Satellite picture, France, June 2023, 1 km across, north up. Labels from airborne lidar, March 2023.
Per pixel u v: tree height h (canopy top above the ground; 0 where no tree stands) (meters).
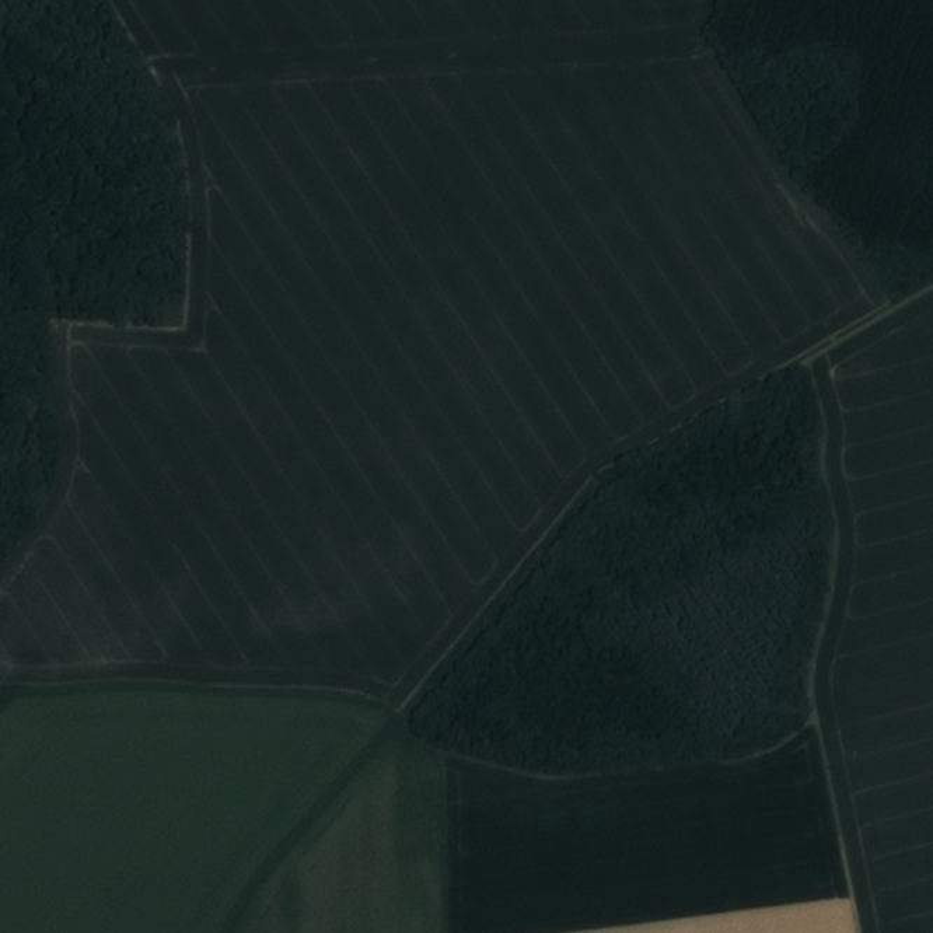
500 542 0
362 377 0
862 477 0
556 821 0
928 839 0
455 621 0
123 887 0
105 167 26
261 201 0
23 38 26
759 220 0
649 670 19
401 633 0
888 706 0
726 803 0
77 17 23
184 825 0
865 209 6
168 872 0
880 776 0
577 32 0
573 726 14
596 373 0
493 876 0
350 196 0
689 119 0
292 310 0
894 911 0
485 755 17
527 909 0
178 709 0
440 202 0
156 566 0
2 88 26
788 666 19
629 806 0
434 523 0
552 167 0
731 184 0
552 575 19
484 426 0
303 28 0
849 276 0
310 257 0
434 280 0
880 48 7
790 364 0
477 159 0
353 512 0
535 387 0
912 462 0
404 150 0
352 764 0
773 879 0
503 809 0
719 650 19
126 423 0
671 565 19
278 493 0
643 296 0
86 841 0
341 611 0
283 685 0
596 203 0
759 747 17
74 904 0
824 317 0
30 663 0
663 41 0
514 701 15
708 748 18
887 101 7
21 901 0
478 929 0
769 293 0
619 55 0
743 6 6
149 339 0
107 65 19
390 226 0
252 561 0
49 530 0
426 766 0
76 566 0
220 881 0
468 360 0
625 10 0
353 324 0
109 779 0
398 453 0
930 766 0
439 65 0
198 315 0
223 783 0
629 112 0
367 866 0
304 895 0
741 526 22
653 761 19
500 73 0
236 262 0
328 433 0
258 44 0
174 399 0
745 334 0
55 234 23
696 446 8
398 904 0
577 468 0
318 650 0
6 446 23
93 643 0
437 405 0
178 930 0
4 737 0
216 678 0
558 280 0
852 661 0
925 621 0
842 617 0
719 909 0
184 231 20
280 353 0
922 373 0
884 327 0
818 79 25
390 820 0
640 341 0
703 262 0
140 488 0
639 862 0
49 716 0
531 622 14
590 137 0
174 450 0
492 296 0
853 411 0
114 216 25
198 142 0
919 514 0
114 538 0
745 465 10
